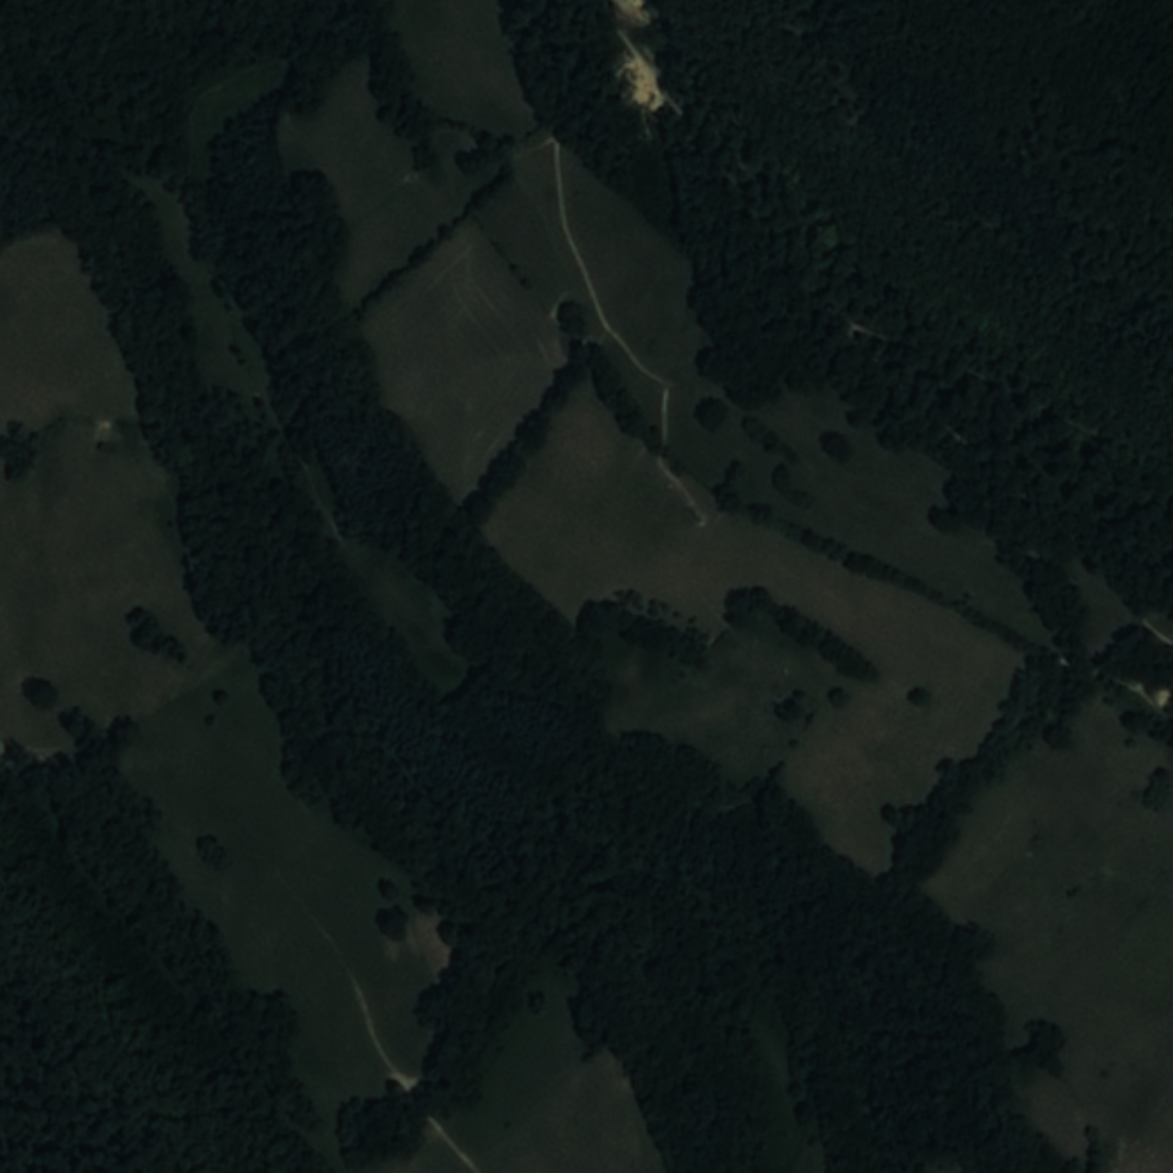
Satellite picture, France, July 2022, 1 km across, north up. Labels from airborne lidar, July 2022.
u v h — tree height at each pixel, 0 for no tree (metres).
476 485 0
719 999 32
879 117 14
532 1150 0
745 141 12
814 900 19
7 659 0
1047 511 24
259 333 26
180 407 30
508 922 30
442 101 0
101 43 21
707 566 0
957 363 31
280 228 28
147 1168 30
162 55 28
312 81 21
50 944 13
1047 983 0
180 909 25
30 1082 7
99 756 22
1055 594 16
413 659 16
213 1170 22
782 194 27
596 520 0
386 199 0
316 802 15
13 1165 29
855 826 0
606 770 30
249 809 0
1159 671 20
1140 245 28
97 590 0
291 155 0
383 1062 0
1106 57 14
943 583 0
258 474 24
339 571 18
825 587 0
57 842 7
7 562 0
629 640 26
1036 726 8
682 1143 23
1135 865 0
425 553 22
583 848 26
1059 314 17
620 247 0
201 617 19
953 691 0
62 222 21
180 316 8
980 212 17
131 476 0
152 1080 19
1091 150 19
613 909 29
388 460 29
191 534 27
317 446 26
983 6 16
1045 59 15
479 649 28
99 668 0
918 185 16
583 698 27
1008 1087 16
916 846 23
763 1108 15
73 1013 22
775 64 17
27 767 23
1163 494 33
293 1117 17
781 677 0
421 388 0
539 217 0
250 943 0
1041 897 0
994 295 13
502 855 28
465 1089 24
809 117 15
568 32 27
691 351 0
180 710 0
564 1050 0
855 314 30
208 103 0
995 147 15
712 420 23
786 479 9
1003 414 26
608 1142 0
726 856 17
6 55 26
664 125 22
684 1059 31
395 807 26
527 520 0
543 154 0
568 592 0
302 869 0
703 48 20
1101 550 21
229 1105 24
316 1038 0
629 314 0
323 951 0
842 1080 25
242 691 0
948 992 27
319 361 24
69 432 0
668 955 30
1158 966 0
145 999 10
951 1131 24
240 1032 31
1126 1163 0
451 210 0
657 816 25
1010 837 0
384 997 0
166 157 20
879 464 0
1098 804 0
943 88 18
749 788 7
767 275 20
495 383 0
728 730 0
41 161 32
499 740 21
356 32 25
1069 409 26
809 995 21
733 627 15
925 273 23
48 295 0
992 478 21
